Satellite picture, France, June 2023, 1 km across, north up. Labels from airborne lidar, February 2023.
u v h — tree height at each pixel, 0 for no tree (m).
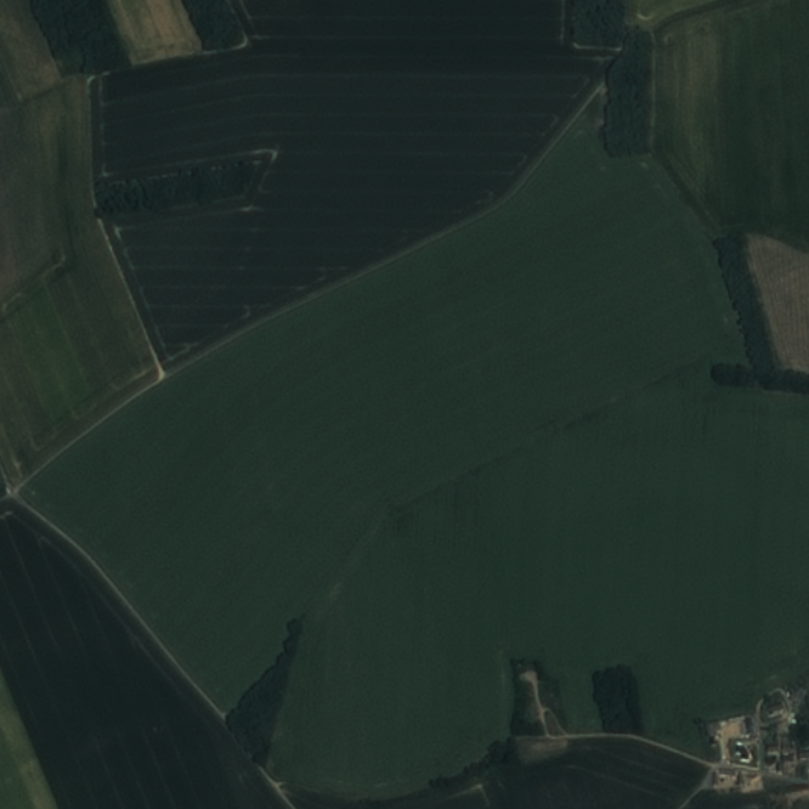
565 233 0
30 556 0
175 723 0
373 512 0
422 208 0
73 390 0
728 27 0
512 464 0
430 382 0
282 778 0
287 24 0
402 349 0
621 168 0
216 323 0
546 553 0
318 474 0
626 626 0
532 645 0
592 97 0
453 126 0
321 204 0
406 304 0
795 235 0
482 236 0
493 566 0
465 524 0
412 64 0
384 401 0
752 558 0
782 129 0
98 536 0
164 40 0
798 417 0
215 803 0
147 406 0
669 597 0
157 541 0
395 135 0
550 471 0
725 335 0
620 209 0
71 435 0
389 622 0
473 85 0
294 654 15
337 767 0
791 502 0
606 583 0
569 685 0
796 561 0
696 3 0
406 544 0
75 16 14
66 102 0
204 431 0
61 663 0
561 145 0
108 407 0
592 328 0
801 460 0
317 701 0
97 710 0
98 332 0
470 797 0
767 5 0
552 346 0
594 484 0
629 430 0
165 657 0
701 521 0
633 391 0
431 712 0
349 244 0
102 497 0
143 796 0
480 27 0
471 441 0
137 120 0
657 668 0
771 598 0
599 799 0
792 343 0
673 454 0
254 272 0
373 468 0
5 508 0
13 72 0
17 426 0
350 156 0
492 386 0
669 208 0
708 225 0
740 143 0
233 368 0
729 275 13
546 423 0
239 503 0
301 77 0
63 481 0
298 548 0
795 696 0
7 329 0
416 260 0
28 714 0
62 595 0
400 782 0
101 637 0
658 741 0
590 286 0
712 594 0
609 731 9
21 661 0
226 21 21
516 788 0
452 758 0
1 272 0
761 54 0
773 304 0
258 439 0
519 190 0
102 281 0
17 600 0
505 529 0
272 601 0
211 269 0
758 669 0
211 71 0
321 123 0
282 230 0
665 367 0
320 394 0
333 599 0
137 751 0
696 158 0
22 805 0
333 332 0
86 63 12
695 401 0
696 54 0
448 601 0
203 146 0
